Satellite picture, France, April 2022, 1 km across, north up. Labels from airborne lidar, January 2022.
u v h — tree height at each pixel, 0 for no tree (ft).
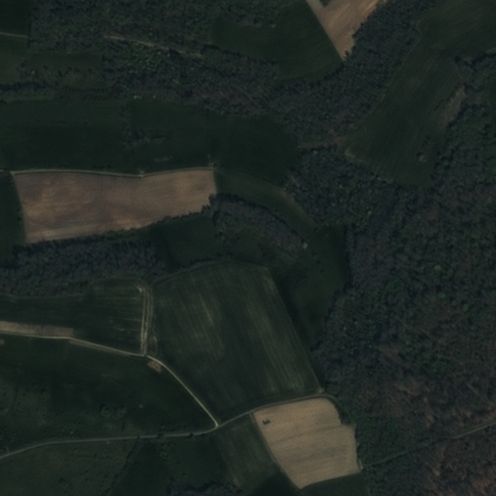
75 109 0
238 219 95
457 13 0
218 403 0
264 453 0
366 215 89
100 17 27
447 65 0
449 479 33
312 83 0
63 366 0
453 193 102
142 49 31
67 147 0
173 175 0
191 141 0
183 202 0
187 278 0
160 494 0
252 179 0
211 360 0
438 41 0
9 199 0
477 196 104
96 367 0
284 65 0
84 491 0
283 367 0
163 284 0
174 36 0
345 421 54
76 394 0
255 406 0
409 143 0
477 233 104
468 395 97
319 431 0
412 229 96
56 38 79
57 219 0
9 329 0
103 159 0
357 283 81
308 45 0
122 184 0
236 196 0
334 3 0
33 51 64
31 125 0
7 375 0
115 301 0
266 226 102
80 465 0
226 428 0
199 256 0
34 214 0
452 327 57
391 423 57
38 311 0
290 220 0
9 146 0
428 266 48
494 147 79
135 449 24
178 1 78
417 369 50
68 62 0
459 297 75
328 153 76
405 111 0
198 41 0
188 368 0
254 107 83
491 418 69
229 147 0
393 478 73
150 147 0
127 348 0
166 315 0
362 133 0
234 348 0
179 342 0
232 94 110
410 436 56
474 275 21
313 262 0
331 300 0
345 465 0
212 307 0
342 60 0
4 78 0
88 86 0
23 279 95
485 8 0
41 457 0
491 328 29
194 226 0
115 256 97
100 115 0
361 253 105
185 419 0
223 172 0
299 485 0
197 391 0
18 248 0
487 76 85
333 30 0
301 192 70
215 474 0
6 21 0
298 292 0
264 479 0
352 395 66
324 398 0
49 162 0
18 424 0
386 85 69
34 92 96
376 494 62
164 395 0
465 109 0
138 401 0
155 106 0
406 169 0
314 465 0
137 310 0
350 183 88
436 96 0
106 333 0
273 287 0
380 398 62
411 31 80
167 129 0
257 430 0
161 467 0
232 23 58
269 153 0
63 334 0
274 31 0
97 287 0
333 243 0
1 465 0
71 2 34
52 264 86
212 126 0
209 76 88
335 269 0
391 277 108
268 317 0
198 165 0
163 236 0
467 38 0
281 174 0
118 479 40
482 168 96
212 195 0
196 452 0
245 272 0
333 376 75
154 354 0
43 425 0
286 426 0
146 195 0
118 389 0
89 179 0
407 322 40
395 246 83
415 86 0
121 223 0
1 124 0
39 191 0
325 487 0
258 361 0
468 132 66
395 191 60
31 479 0
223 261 33
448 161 33
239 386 0
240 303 0
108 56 31
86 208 0
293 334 0
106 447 0
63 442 0
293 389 0
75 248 66
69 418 0
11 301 0
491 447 36
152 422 0
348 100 103
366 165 0
